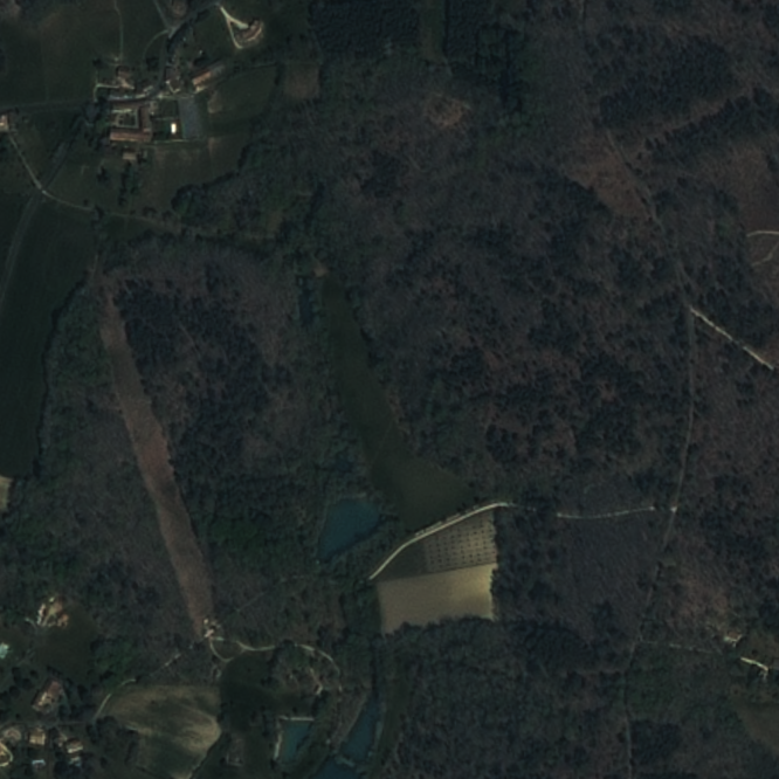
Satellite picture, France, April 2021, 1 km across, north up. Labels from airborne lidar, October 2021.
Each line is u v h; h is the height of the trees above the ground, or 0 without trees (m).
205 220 25
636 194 10
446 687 25
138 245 7
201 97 0
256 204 25
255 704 0
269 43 0
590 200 24
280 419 14
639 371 8
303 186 26
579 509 14
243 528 26
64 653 0
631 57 23
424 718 9
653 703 20
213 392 10
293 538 18
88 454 19
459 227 14
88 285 13
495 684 19
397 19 19
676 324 23
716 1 8
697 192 11
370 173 22
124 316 9
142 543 20
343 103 17
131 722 0
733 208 28
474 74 10
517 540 9
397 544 19
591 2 7
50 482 14
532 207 16
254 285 19
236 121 22
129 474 22
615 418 16
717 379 12
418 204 18
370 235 19
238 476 18
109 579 19
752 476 14
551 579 14
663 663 20
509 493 18
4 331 0
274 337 15
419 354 19
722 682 24
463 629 19
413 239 20
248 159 18
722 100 26
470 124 21
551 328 11
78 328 19
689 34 12
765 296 13
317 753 10
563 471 9
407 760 8
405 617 0
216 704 0
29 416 0
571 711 13
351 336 0
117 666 21
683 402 11
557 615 9
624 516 16
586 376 13
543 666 23
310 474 15
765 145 15
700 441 7
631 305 27
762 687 30
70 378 17
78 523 20
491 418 6
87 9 0
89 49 0
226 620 20
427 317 18
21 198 14
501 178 18
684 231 13
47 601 13
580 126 12
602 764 11
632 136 24
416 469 0
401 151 24
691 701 28
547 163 13
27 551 14
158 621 20
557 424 6
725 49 12
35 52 0
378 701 7
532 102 21
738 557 33
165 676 21
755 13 12
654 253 12
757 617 38
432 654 23
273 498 22
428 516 0
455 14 17
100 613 13
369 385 0
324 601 11
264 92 0
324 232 27
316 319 14
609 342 13
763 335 10
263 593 17
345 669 21
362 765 8
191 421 10
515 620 16
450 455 21
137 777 0
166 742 0
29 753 9
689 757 33
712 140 27
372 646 20
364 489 16
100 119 11
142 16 0
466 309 8
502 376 8
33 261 0
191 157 0
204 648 15
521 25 20
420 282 13
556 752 12
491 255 12
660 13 17
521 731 18
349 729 19
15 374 0
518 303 15
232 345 13
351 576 19
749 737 36
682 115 24
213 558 16
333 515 0
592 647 9
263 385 10
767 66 10
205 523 18
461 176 21
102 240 8
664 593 9
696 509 13
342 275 19
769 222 0
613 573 15
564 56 20
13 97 0
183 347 13
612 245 11
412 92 16
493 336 12
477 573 0
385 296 15
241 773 0
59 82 0
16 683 10
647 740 21
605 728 17
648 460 12
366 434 0
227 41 0
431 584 0
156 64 6
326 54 18
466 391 13
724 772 34
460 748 15
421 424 26
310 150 18
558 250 21
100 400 14
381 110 21
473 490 13
